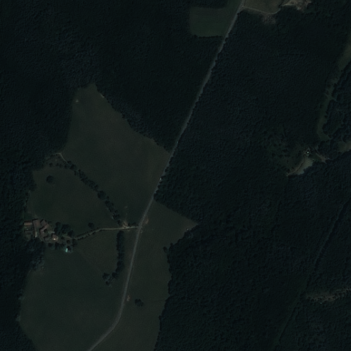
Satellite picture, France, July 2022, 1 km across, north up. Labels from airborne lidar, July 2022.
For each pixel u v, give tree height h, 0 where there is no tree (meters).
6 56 15
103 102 0
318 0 9
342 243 14
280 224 14
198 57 10
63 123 16
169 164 7
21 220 15
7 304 22
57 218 0
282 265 17
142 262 0
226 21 0
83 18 15
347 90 24
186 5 15
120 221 13
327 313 18
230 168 17
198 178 12
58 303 0
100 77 18
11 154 8
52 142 18
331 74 22
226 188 18
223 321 20
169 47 15
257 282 24
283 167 11
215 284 15
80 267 0
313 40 15
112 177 0
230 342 21
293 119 16
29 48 16
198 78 14
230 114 13
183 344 13
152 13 16
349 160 21
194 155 12
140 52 21
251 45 13
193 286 19
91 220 0
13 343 23
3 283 20
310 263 17
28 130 20
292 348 10
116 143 0
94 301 0
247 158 14
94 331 0
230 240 10
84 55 23
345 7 10
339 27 27
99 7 15
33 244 15
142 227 0
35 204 0
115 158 0
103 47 18
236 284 20
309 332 13
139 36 20
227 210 16
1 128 18
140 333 0
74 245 8
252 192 24
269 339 10
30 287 0
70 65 23
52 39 18
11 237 19
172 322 20
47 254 0
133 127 18
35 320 0
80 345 0
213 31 0
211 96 13
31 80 19
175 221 0
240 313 8
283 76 13
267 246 21
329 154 20
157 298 0
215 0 17
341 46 15
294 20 16
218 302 18
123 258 19
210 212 20
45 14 20
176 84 16
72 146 0
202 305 7
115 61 20
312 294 9
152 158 0
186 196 9
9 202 10
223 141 12
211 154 19
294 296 12
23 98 21
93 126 0
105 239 0
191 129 12
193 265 14
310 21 13
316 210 19
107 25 18
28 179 15
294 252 26
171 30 18
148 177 0
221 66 15
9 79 18
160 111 16
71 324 0
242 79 14
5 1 21
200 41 11
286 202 20
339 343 10
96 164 0
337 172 20
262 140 14
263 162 19
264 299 15
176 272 11
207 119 12
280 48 17
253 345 27
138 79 21
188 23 11
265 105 12
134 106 22
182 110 17
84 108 0
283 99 16
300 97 17
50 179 14
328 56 15
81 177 11
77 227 0
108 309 0
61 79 15
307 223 15
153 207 0
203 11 0
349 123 24
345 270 22
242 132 14
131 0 14
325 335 17
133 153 0
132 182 0
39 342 0
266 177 20
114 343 0
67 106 14
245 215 22
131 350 0
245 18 11
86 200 0
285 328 8
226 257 15
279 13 9
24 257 12
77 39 16
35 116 17
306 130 16
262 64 13
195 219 11
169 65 15
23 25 16
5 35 14
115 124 0
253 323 15
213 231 16
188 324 16
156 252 0
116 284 0
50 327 0
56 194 0
